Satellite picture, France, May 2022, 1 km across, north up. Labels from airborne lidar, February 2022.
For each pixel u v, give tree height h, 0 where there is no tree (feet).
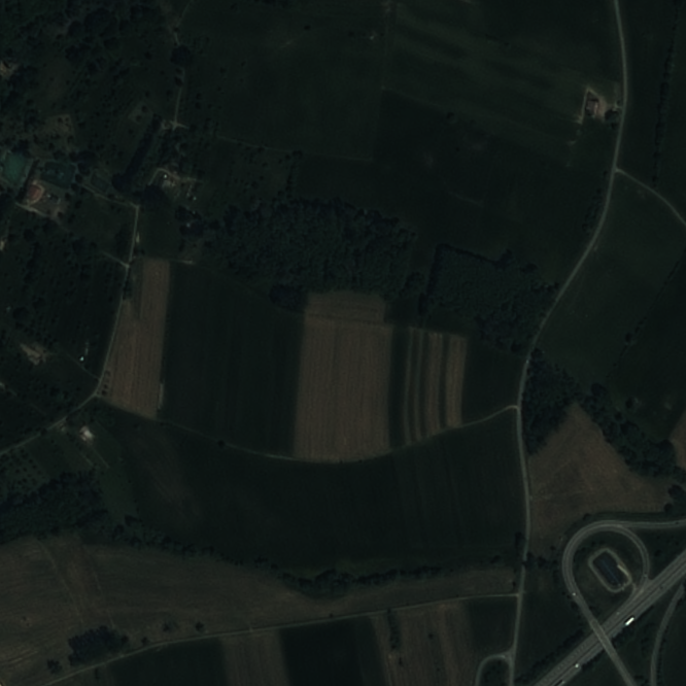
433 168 0
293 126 0
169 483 0
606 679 0
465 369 0
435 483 0
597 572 0
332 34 0
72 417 28
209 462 0
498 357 0
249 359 0
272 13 0
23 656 0
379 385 0
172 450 0
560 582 23
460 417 0
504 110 0
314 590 51
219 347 0
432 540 0
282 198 27
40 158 0
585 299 0
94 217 0
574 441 0
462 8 0
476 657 0
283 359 0
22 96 48
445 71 0
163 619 0
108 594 0
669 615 0
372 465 0
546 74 0
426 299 61
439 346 0
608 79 0
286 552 0
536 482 0
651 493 0
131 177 62
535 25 0
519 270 62
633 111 0
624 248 0
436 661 0
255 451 0
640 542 0
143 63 0
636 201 0
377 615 0
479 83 0
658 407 0
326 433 0
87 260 36
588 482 0
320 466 0
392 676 0
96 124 0
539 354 53
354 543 0
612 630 0
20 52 73
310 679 0
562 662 0
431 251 0
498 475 0
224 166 0
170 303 0
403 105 0
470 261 71
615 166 0
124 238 0
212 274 0
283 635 0
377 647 0
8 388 17
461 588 0
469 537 0
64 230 0
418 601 0
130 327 0
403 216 0
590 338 0
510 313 82
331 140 0
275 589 0
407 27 0
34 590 0
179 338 0
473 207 0
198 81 0
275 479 0
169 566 0
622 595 0
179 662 0
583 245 0
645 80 0
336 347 0
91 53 51
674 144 0
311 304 0
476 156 0
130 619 0
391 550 0
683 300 0
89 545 0
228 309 0
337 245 73
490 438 0
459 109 0
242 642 0
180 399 0
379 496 0
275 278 57
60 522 50
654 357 0
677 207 0
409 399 0
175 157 35
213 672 0
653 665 0
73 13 75
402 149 0
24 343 0
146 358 0
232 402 0
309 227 80
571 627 0
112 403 0
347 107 0
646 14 0
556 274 0
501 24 0
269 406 0
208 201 0
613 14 0
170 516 0
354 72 0
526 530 0
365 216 66
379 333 0
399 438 0
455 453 0
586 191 0
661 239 0
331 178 0
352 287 64
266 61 0
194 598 0
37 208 0
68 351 0
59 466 0
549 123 0
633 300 0
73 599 0
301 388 0
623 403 0
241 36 0
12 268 0
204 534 0
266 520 0
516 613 0
